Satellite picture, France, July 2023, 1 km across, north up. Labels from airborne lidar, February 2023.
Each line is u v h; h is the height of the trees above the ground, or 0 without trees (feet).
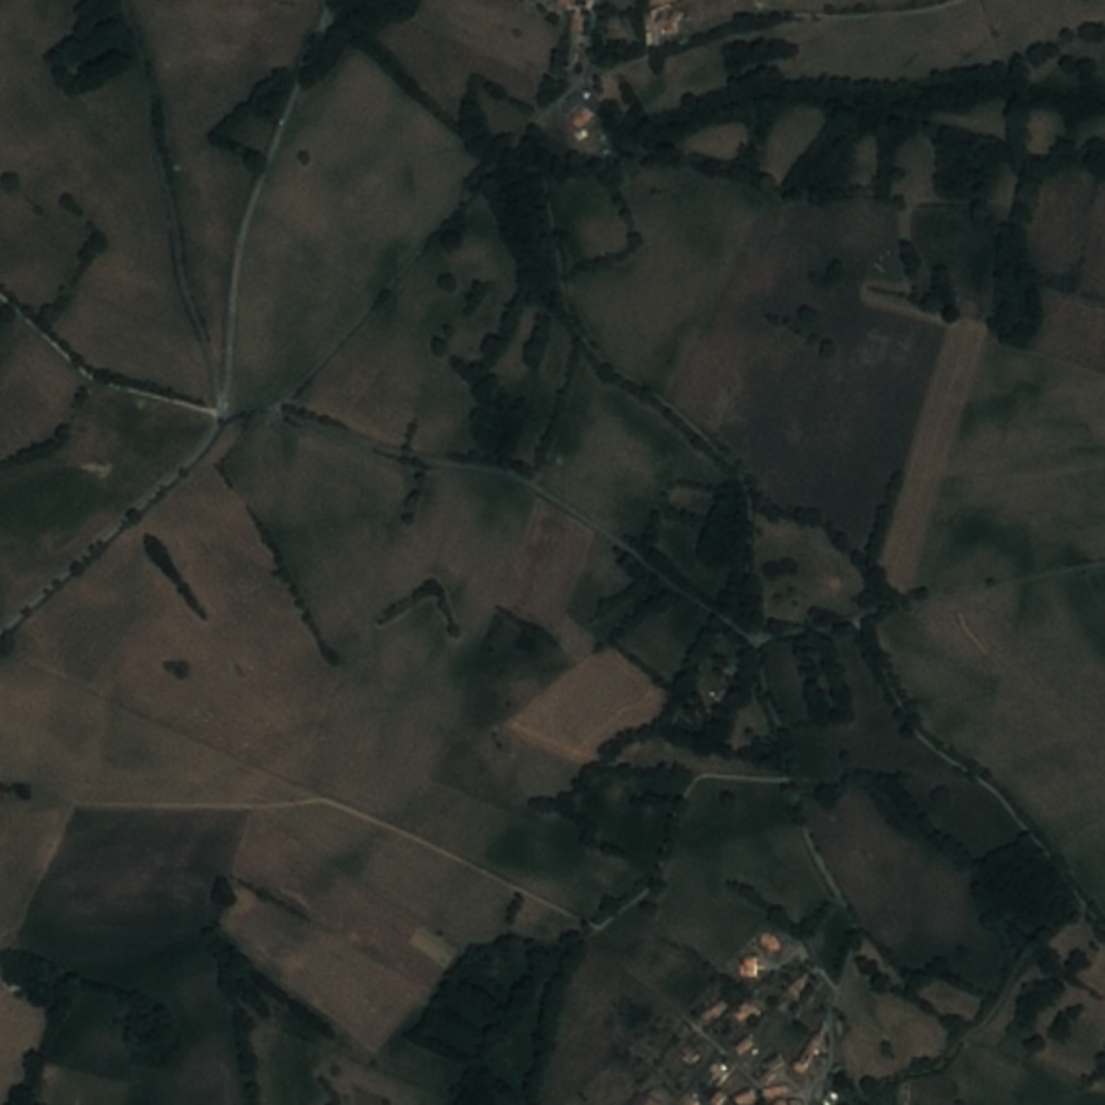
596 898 0
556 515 0
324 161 0
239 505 0
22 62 0
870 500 0
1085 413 0
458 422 0
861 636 37
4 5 0
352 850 0
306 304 0
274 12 0
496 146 40
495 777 0
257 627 0
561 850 0
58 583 31
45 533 0
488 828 0
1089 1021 0
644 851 0
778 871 0
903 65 0
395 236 0
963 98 41
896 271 0
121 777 0
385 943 0
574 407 0
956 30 0
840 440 0
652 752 0
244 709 0
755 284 0
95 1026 0
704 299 0
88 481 0
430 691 0
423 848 0
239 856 0
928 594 34
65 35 0
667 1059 0
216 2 0
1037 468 0
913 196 0
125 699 0
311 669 0
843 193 20
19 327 0
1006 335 28
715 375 0
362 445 0
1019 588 0
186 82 0
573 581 0
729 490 38
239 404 0
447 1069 0
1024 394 0
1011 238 33
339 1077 0
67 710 0
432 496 0
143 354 0
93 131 0
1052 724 0
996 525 0
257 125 0
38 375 0
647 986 0
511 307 40
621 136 30
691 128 24
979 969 0
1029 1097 0
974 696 0
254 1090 43
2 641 26
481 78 21
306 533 0
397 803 0
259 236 0
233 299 0
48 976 53
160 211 0
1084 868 0
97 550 30
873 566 40
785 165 0
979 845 0
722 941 0
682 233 0
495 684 0
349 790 0
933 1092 0
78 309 0
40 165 0
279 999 29
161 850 0
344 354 0
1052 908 27
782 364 0
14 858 0
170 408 0
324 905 0
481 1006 65
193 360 0
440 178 0
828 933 0
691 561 0
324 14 0
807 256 0
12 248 0
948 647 0
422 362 0
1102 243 0
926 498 0
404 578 0
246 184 0
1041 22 0
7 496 0
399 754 0
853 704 52
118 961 0
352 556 0
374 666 0
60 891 0
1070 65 51
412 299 0
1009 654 0
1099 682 0
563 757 0
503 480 0
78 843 0
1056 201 0
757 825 0
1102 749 0
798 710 0
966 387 0
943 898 0
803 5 0
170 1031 62
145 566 0
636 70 0
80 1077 0
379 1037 0
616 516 0
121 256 0
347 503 0
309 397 0
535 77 0
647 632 0
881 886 0
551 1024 56
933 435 0
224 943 31
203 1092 0
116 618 0
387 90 0
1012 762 0
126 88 0
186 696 0
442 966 0
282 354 0
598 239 0
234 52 0
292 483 0
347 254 0
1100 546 0
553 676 0
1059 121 0
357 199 0
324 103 0
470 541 0
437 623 0
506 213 35
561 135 0
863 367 0
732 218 0
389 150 0
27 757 0
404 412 0
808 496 0
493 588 0
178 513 0
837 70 0
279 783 0
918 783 0
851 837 0
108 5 51
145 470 0
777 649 0
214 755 0
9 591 0
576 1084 0
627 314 0
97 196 0
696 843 0
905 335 0
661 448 0
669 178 0
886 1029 0
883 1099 0
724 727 60
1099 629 0
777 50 50
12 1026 0
